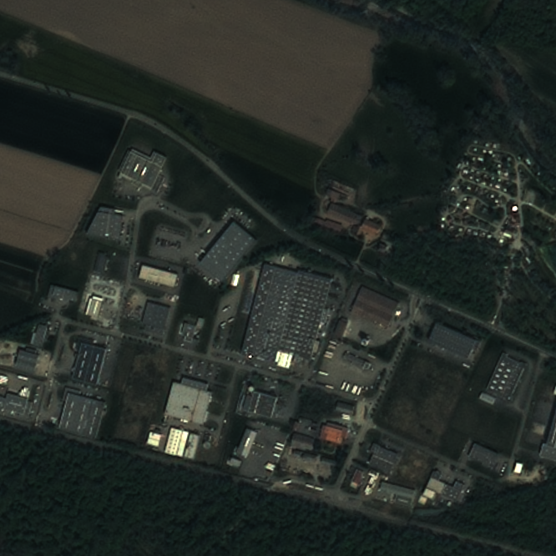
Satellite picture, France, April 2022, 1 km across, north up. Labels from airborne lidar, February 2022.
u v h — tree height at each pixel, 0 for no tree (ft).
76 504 70
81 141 0
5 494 78
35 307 0
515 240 0
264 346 0
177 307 0
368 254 0
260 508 70
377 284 0
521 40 54
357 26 0
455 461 0
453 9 38
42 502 69
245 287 0
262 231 0
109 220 0
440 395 0
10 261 0
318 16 0
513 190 26
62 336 0
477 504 49
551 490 61
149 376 0
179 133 0
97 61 0
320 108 0
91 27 0
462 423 0
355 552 52
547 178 42
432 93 0
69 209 0
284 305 0
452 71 77
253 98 0
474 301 54
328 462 0
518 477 0
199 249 0
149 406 0
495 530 52
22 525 87
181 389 0
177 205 0
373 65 0
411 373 0
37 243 0
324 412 26
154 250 0
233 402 0
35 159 0
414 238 61
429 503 0
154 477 48
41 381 0
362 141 0
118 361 0
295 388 0
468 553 81
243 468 0
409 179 0
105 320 0
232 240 0
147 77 0
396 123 0
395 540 72
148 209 0
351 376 0
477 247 64
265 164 0
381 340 0
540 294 62
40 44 0
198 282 0
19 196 0
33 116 0
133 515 66
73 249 0
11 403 0
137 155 0
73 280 0
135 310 0
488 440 0
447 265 54
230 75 0
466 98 0
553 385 0
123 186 0
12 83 0
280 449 0
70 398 0
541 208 0
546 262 0
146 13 0
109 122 0
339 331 0
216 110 0
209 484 78
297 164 0
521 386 0
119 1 0
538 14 62
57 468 64
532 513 63
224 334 0
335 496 0
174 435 0
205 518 76
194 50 0
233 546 71
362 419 0
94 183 0
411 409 0
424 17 73
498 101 27
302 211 0
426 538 69
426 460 0
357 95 0
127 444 29
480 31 0
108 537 92
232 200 0
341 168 0
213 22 0
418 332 48
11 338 52
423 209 0
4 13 0
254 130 0
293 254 43
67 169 0
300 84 0
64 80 0
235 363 0
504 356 0
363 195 0
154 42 0
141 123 0
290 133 0
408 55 0
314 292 0
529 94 47
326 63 0
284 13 0
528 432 0
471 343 0
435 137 85
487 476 0
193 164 0
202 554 34
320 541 91
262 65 0
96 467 71
